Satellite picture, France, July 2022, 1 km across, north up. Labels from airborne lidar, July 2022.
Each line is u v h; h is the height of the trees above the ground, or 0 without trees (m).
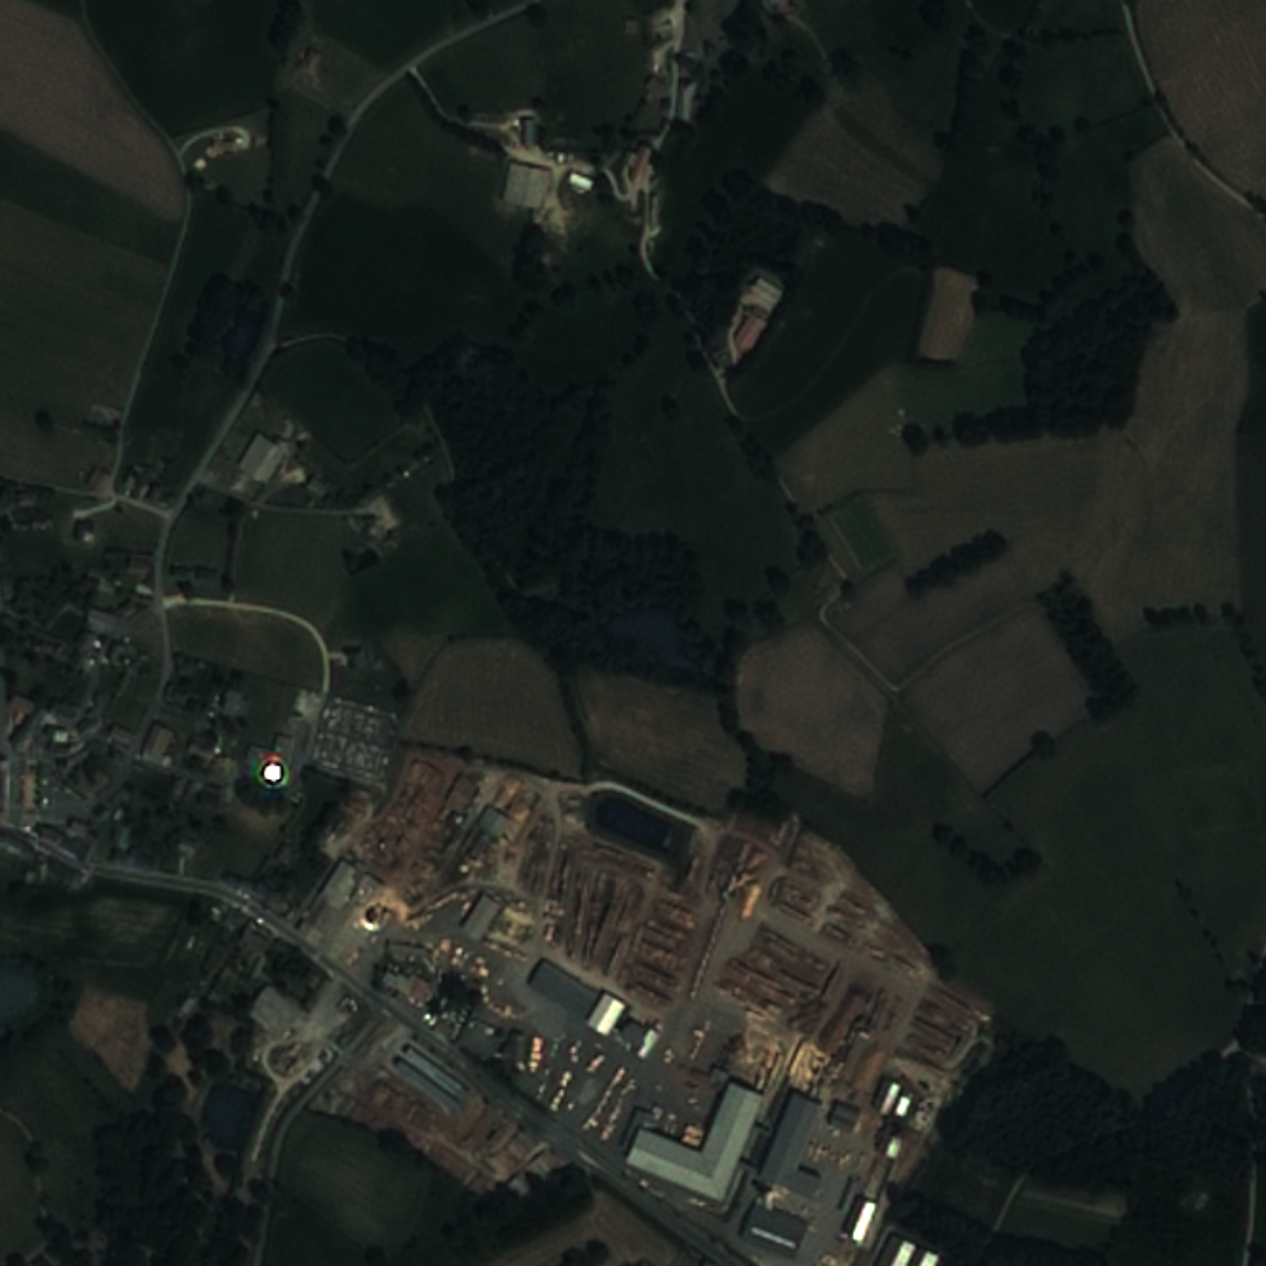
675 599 18
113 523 0
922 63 0
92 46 0
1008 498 0
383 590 0
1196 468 0
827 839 0
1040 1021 0
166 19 0
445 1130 0
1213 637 0
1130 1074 0
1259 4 0
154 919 0
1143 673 0
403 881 0
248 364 8
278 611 0
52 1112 0
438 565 0
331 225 0
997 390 0
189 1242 15
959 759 0
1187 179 0
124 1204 14
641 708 0
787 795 0
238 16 0
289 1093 0
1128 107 0
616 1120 0
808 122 0
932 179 0
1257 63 0
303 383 0
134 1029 0
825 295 0
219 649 0
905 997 0
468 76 0
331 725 0
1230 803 0
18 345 0
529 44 0
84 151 0
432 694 0
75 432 0
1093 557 0
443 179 0
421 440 0
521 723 0
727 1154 0
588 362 0
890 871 0
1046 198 16
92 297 0
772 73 14
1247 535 0
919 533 0
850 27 0
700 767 0
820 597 0
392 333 0
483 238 0
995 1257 28
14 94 0
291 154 0
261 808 23
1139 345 21
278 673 0
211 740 12
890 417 0
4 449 0
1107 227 0
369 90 0
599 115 0
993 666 0
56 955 0
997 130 0
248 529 0
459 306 0
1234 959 0
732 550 0
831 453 0
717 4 0
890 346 0
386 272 0
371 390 0
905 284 0
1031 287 0
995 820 0
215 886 0
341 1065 0
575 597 21
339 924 0
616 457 0
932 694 0
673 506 0
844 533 0
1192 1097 28
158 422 0
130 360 0
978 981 0
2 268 0
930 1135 0
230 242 0
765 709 0
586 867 0
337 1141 0
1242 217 0
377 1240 0
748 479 0
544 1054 0
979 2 0
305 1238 0
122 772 0
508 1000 0
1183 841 0
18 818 0
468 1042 0
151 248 0
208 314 20
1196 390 0
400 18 0
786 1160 0
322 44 0
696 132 16
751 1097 0
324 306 0
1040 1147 24
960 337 0
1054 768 0
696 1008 0
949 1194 0
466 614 0
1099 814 0
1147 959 0
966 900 0
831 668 0
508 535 8
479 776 0
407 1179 0
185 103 0
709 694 9
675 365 0
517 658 0
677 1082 0
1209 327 0
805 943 0
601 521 0
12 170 0
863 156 0
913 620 0
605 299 19
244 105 0
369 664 0
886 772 0
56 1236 18
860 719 0
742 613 20
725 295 25
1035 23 0
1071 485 0
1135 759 0
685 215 0
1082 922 0
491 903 0
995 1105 24
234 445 0
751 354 9
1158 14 0
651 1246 0
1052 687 0
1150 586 0
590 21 0
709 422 0
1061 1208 0
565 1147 0
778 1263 0
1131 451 0
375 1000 0
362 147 0
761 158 0
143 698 0
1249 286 0
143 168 0
